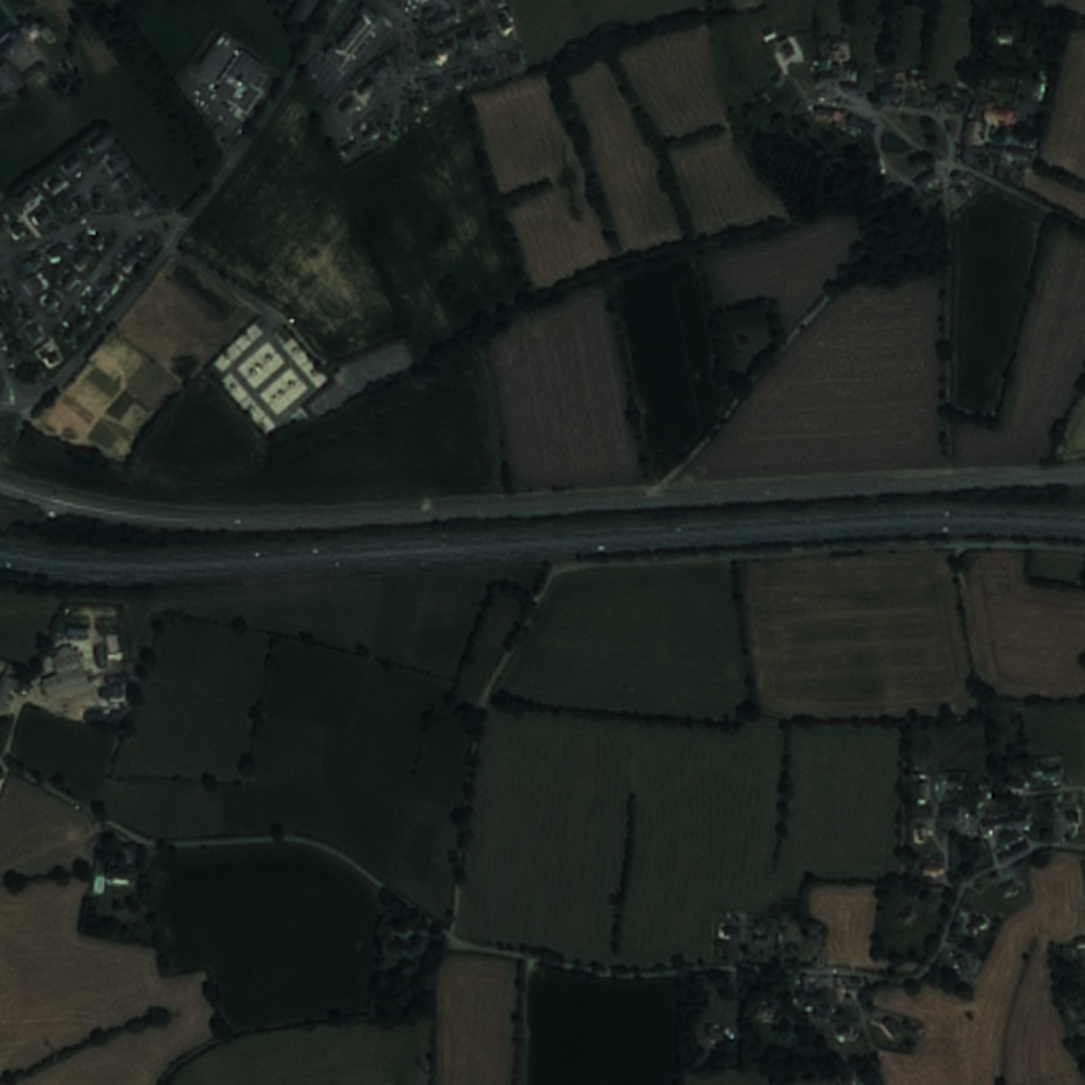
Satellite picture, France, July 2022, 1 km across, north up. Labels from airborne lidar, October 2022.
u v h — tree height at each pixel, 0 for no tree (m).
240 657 0
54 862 0
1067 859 0
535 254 0
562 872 0
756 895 0
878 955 11
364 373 0
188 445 0
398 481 0
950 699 0
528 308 18
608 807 0
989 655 0
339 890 0
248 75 0
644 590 0
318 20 13
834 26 0
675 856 0
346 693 0
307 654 0
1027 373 0
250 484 0
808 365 0
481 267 0
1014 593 0
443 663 0
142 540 10
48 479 0
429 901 0
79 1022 0
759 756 0
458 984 0
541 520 7
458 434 0
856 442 0
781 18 0
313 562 0
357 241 0
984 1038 0
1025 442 0
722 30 0
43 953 0
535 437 0
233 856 0
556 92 9
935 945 15
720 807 0
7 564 0
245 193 0
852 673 0
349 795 0
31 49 0
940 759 0
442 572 0
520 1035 7
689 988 18
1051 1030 0
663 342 0
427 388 0
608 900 0
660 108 0
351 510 0
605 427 0
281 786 0
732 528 0
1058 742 0
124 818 0
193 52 0
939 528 0
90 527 11
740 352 0
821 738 0
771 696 0
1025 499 7
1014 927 0
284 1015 0
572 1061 0
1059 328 0
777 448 0
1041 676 0
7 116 0
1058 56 11
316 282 0
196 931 0
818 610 0
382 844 0
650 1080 0
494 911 0
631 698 0
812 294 0
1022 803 8
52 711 0
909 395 0
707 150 0
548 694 0
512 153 0
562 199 0
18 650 0
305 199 0
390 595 0
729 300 0
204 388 0
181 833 0
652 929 0
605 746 0
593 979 9
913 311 0
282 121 0
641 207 0
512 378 0
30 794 0
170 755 0
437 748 0
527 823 0
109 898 0
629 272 15
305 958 0
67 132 0
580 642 0
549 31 0
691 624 0
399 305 0
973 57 7
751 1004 10
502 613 0
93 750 0
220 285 0
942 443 8
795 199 33
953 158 0
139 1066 0
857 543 7
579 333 0
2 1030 0
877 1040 0
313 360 6
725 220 0
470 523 8
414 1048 0
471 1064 0
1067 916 0
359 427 0
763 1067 12
